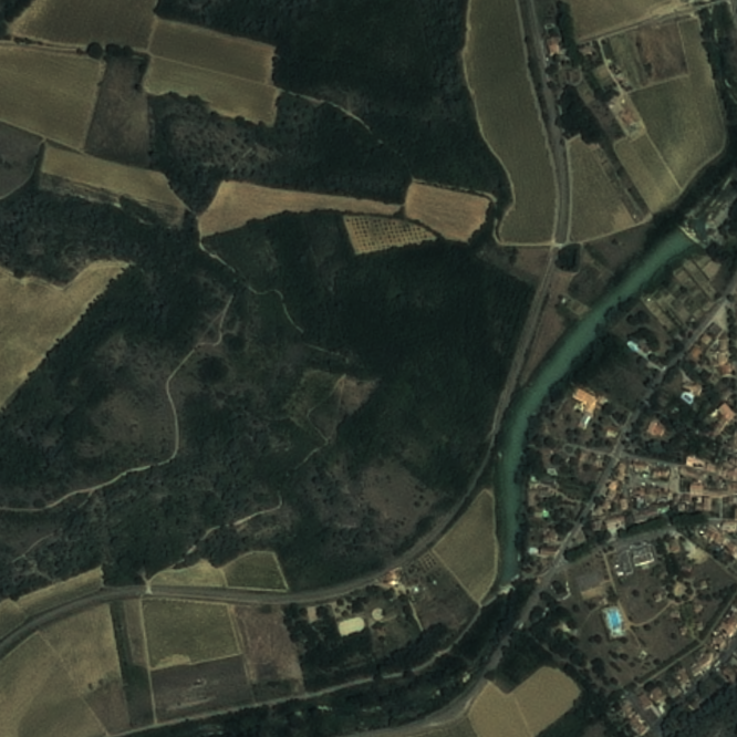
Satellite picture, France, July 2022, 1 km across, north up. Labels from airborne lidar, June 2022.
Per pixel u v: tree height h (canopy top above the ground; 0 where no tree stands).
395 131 15
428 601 0
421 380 11
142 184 0
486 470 8
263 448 9
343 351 7
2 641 0
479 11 0
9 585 16
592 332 0
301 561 7
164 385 0
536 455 11
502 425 13
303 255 13
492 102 0
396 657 20
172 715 0
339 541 6
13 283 0
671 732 11
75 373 11
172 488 11
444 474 16
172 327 15
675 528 15
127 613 0
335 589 0
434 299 7
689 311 0
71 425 10
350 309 13
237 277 7
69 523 7
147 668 0
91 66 0
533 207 0
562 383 12
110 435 0
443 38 16
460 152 9
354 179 14
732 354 9
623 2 0
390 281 7
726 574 0
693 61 0
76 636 0
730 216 10
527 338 0
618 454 0
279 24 18
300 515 6
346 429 14
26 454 9
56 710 0
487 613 6
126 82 0
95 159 0
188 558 7
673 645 0
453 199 0
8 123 0
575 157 0
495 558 0
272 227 11
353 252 12
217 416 10
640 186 0
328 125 13
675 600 8
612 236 0
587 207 0
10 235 6
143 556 7
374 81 10
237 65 0
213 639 0
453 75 9
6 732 0
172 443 0
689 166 0
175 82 0
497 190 7
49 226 10
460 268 10
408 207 0
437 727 0
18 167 0
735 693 20
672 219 8
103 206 6
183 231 6
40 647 0
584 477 0
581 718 7
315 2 14
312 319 9
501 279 7
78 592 0
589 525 8
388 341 14
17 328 0
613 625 0
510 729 0
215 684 0
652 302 0
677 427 20
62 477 8
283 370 7
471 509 0
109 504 10
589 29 0
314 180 8
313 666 8
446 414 6
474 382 8
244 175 13
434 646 26
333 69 11
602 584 0
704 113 0
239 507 15
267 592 0
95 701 0
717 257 18
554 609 12
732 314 10
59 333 0
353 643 9
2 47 0
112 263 0
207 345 0
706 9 8
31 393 6
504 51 0
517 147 0
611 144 0
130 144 0
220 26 11
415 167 9
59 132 0
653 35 0
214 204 0
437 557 0
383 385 10
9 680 0
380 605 0
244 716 9
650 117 0
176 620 0
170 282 7
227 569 0
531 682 0
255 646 0
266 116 0
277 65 16
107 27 0
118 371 7
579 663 10
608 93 8
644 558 0
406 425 6
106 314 7
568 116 11
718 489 0
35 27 0
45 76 0
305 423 6
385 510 0
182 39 0
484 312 9
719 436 7
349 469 8
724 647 0
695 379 14
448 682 24
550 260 0
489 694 0
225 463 11
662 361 9
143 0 0
